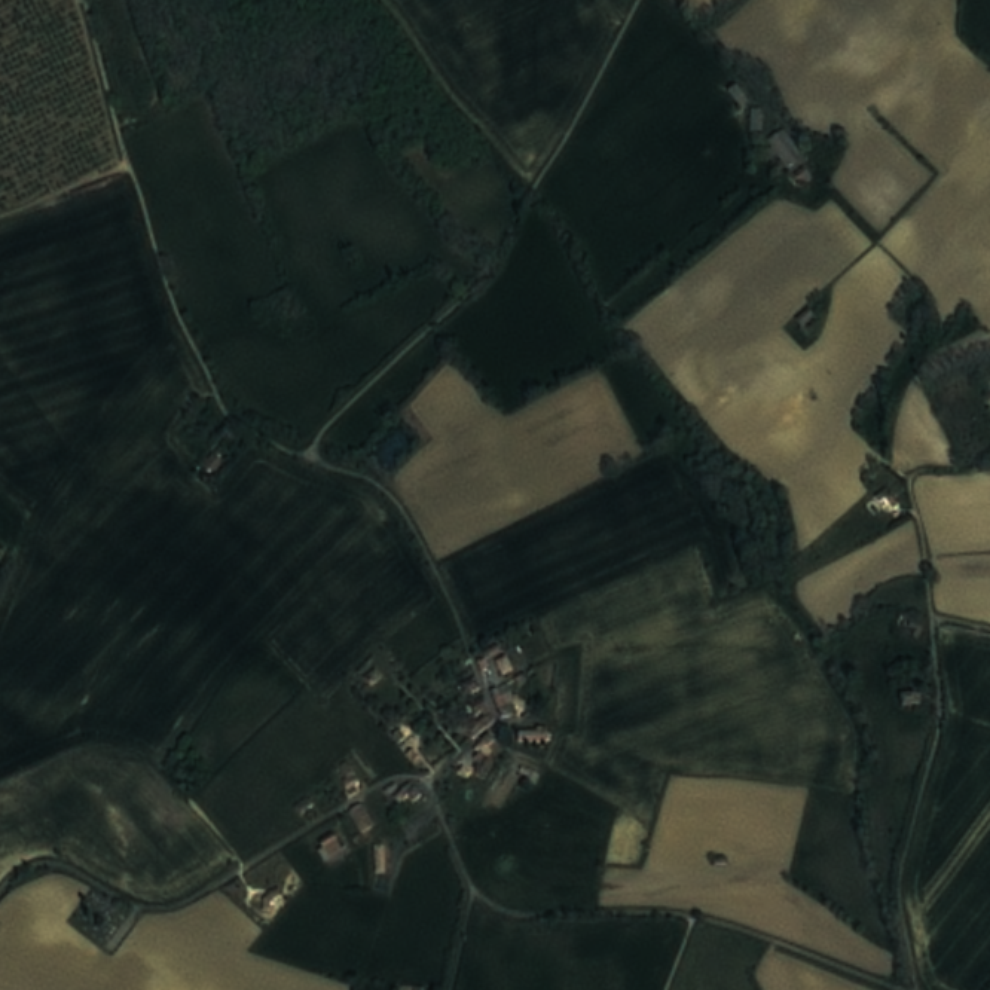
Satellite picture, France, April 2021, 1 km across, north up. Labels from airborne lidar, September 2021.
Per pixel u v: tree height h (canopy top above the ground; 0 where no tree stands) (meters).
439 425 0
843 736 0
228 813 0
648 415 0
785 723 0
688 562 0
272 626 0
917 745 0
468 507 0
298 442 14
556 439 0
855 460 0
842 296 0
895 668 9
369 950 0
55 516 0
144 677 0
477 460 0
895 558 0
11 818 0
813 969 0
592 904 0
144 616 0
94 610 0
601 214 0
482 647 8
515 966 0
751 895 0
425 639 0
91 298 0
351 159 0
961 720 0
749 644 0
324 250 0
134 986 0
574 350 0
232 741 0
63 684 0
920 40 0
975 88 0
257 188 13
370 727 0
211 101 12
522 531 0
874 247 0
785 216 0
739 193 7
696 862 0
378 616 0
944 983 0
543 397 14
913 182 0
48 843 0
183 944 0
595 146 0
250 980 0
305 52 21
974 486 0
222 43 24
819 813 0
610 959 0
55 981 0
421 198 15
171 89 18
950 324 8
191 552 0
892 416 14
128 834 0
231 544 0
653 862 0
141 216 0
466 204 0
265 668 0
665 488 0
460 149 19
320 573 0
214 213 0
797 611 10
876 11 0
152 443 0
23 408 0
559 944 0
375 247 0
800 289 0
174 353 0
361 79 21
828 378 0
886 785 0
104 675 0
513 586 0
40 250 0
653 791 0
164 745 0
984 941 0
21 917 0
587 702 0
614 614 0
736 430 0
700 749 0
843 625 13
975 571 0
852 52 0
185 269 0
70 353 0
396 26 18
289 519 0
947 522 0
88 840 0
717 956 0
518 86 0
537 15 0
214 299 0
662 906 0
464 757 0
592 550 0
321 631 0
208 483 12
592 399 0
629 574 0
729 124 0
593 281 15
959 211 0
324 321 0
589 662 0
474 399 0
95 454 0
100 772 0
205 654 0
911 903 0
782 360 0
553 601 0
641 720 0
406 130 21
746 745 0
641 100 0
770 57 0
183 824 0
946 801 0
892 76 0
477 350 0
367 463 13
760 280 0
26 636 0
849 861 0
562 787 0
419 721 10
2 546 0
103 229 0
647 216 0
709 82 0
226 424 8
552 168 0
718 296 0
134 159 0
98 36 15
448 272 16
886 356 0
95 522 0
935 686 6
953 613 0
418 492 0
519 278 0
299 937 0
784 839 0
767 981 0
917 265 0
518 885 0
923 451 0
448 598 0
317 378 0
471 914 0
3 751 0
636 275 12
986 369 10
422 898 0
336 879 0
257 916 0
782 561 12
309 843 0
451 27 0
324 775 0
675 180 0
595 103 0
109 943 0
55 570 0
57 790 0
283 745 0
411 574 0
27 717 0
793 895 0
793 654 0
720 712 0
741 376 0
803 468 0
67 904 0
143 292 0
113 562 0
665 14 0
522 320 0
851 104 0
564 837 0
